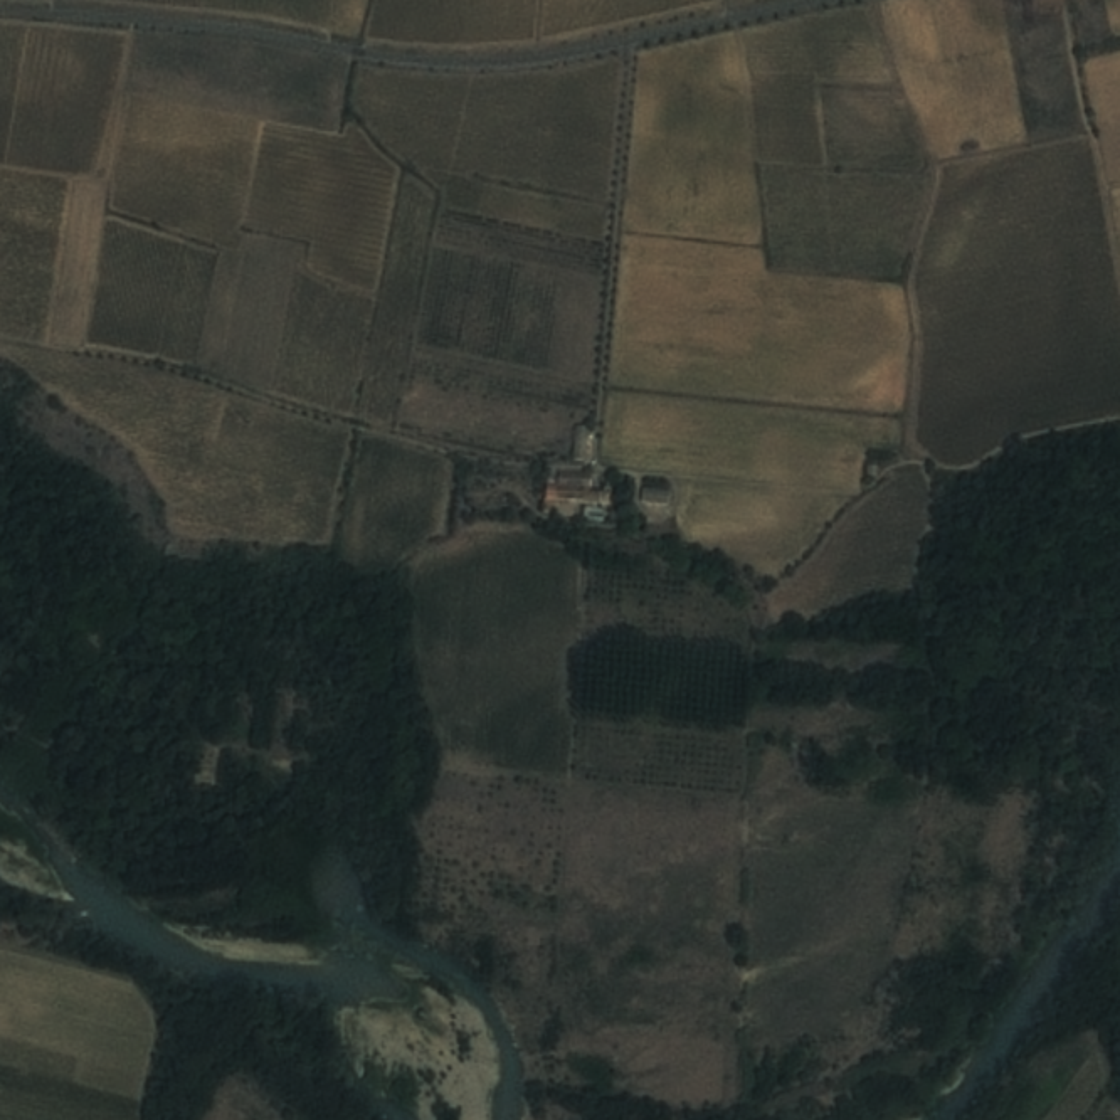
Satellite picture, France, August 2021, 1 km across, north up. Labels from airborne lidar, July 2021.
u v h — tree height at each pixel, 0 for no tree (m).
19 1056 0
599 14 0
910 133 0
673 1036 0
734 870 0
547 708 0
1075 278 0
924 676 14
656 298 0
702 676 27
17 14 0
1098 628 11
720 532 0
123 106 0
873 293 0
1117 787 18
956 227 0
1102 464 10
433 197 0
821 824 0
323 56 0
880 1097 10
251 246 0
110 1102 0
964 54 0
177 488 0
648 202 0
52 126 0
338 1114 16
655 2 0
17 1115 0
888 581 0
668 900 0
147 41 0
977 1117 12
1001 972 8
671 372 0
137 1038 0
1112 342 0
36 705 9
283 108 0
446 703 0
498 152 0
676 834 0
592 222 0
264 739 10
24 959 0
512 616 0
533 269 0
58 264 0
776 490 0
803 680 20
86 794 27
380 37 0
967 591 18
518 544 0
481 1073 0
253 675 9
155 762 16
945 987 23
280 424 0
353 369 0
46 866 0
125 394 0
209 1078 16
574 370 0
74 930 7
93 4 0
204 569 11
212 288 0
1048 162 0
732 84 0
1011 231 0
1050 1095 0
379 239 0
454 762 0
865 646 16
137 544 8
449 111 0
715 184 0
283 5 0
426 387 0
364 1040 0
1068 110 0
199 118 0
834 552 0
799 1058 6
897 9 0
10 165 0
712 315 0
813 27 0
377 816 13
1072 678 8
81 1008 0
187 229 0
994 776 24
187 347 0
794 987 0
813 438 0
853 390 0
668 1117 12
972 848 0
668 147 0
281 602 9
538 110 0
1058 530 14
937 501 12
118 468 0
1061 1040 13
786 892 0
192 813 13
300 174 0
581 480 0
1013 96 0
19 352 0
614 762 0
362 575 7
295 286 0
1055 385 0
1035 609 14
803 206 0
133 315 0
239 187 0
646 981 0
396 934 12
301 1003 22
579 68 0
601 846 0
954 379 0
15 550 16
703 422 0
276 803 12
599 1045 0
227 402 0
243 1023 22
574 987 0
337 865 0
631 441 0
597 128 0
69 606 11
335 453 0
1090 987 21
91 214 0
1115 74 0
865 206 0
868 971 0
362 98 0
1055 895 14
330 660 10
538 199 0
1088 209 0
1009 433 0
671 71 0
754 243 0
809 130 0
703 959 0
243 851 15
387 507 0
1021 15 0
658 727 21
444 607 0
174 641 13
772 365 0
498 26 0
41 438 6
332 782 8
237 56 0
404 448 0
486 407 0
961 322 0
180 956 0
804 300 0
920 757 13
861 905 0
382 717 15
